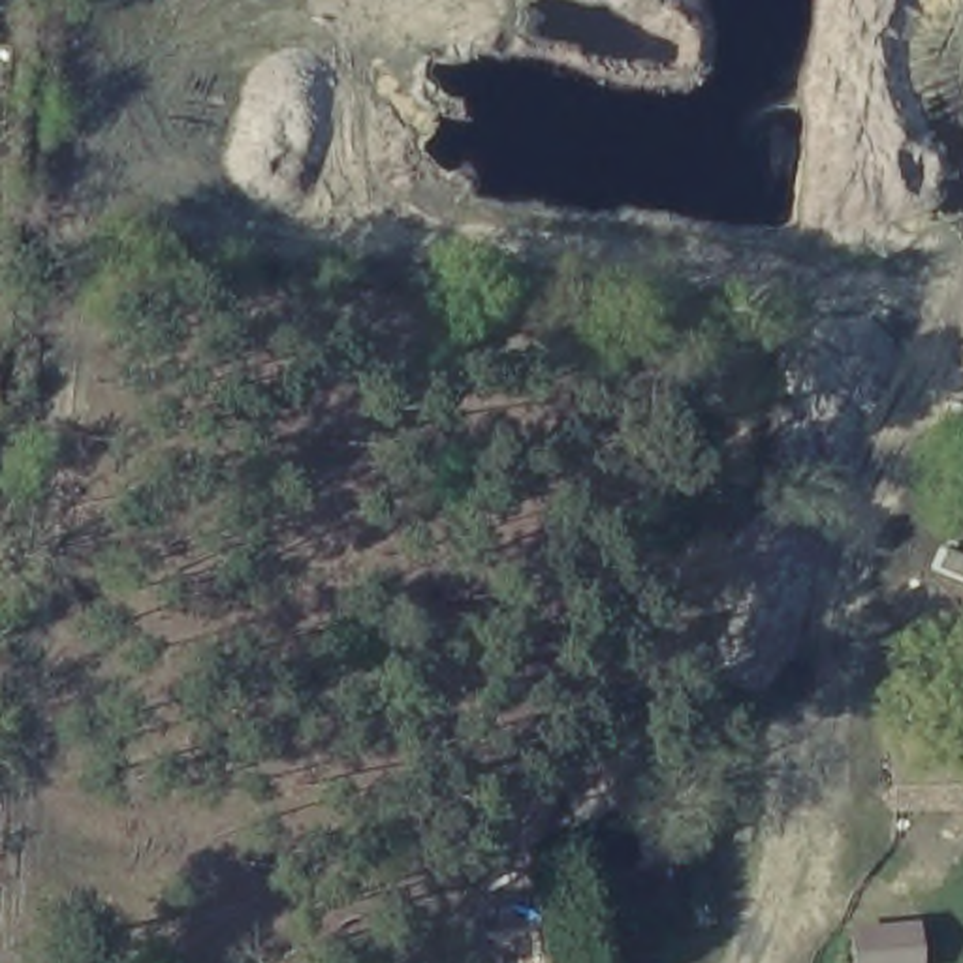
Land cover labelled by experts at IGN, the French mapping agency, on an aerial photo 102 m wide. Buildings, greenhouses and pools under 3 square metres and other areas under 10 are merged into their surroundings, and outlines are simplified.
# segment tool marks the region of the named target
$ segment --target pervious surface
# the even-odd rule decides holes
[[[843,850],[843,809],[850,805],[846,767],[854,745],[843,737],[843,726],[854,715],[873,715],[876,688],[892,673],[892,639],[910,624],[907,617],[914,609],[937,606],[940,594],[895,594],[884,583],[884,576],[922,527],[918,519],[880,508],[873,493],[854,493],[846,500],[850,527],[824,530],[843,549],[839,576],[824,609],[824,632],[813,643],[797,643],[794,658],[779,670],[779,677],[764,685],[745,707],[752,718],[767,726],[764,846],[760,861],[749,869],[749,903],[741,910],[741,925],[722,948],[718,963],[809,963],[820,937],[831,925],[824,910],[831,873]]]

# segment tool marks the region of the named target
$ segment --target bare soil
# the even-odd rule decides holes
[[[730,278],[745,278],[749,293],[767,297],[779,282],[786,282],[786,290],[797,293],[801,308],[794,335],[775,350],[745,339],[734,354],[715,357],[715,369],[703,376],[715,384],[715,395],[707,399],[707,406],[715,406],[715,421],[707,421],[703,429],[696,425],[696,436],[718,451],[722,470],[707,489],[677,493],[666,500],[658,523],[666,527],[670,542],[681,542],[685,549],[703,549],[700,568],[715,576],[715,583],[722,587],[722,609],[730,613],[730,624],[718,636],[718,655],[711,658],[718,696],[726,700],[726,707],[745,707],[764,685],[779,677],[779,670],[794,658],[797,643],[813,643],[824,632],[824,609],[839,576],[843,549],[824,530],[813,523],[779,523],[771,512],[764,512],[760,493],[767,485],[767,474],[786,474],[794,463],[828,463],[835,478],[846,485],[846,500],[854,493],[873,493],[880,508],[918,519],[914,448],[922,421],[940,403],[952,403],[955,410],[963,406],[963,0],[816,0],[809,53],[801,68],[801,162],[794,177],[794,207],[779,226],[718,226],[643,207],[576,211],[545,207],[538,199],[500,203],[478,196],[474,177],[466,169],[448,169],[429,154],[436,124],[466,120],[466,102],[436,87],[429,79],[429,68],[463,64],[470,56],[553,60],[598,83],[639,90],[700,87],[703,60],[692,19],[700,15],[700,0],[579,0],[606,4],[628,23],[677,45],[673,64],[639,64],[587,56],[576,45],[538,38],[530,30],[534,0],[68,0],[68,19],[75,26],[64,41],[64,83],[71,98],[71,128],[53,150],[49,196],[34,196],[23,214],[23,241],[30,248],[60,245],[83,241],[98,229],[105,218],[109,226],[139,222],[177,233],[188,218],[203,218],[222,241],[252,241],[252,248],[260,256],[282,256],[297,260],[301,267],[312,267],[320,286],[354,278],[365,256],[380,256],[391,248],[421,248],[425,256],[433,256],[436,245],[463,233],[485,241],[497,256],[512,256],[515,275],[534,267],[553,271],[557,260],[568,252],[583,256],[591,267],[628,263],[666,301],[670,327],[688,331],[700,324],[703,305],[711,301],[707,293],[726,290]]]

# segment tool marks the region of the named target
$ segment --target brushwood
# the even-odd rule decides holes
[[[643,459],[636,459],[624,448],[621,433],[606,436],[587,459],[606,474],[628,474],[639,485],[639,504],[624,508],[624,527],[632,534],[636,527],[658,523],[666,500],[677,493],[662,485]]]

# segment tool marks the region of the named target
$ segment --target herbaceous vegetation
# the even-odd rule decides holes
[[[504,797],[512,805],[512,820],[500,820],[497,835],[504,846],[504,865],[497,869],[497,876],[485,880],[436,880],[436,873],[425,865],[425,839],[418,839],[403,858],[391,858],[361,873],[361,895],[324,914],[324,925],[316,925],[316,933],[324,940],[335,940],[335,933],[342,929],[365,933],[365,940],[372,940],[372,903],[403,895],[410,907],[410,937],[403,948],[387,952],[387,963],[549,963],[542,952],[545,937],[538,925],[538,907],[545,895],[530,888],[530,865],[538,854],[549,854],[568,839],[591,843],[594,869],[606,884],[609,940],[617,963],[718,963],[722,948],[741,925],[741,910],[749,903],[749,869],[760,861],[764,846],[767,726],[752,718],[752,749],[745,764],[730,764],[730,801],[722,805],[722,820],[711,846],[703,854],[677,861],[662,843],[643,843],[636,831],[639,779],[658,764],[647,734],[651,692],[628,670],[628,647],[606,628],[598,636],[594,658],[602,662],[609,681],[609,703],[621,726],[621,752],[591,764],[568,752],[557,767],[560,782],[553,801],[542,801],[538,782],[527,771],[530,752],[545,741],[542,734],[549,730],[538,711],[527,711],[530,688],[549,677],[557,688],[568,692],[568,700],[587,696],[587,677],[568,670],[560,658],[568,602],[545,553],[549,497],[557,489],[579,485],[591,489],[591,497],[606,508],[624,508],[639,504],[639,485],[628,474],[606,474],[587,459],[606,436],[621,433],[617,418],[587,414],[576,403],[579,384],[594,380],[609,391],[624,391],[628,384],[636,384],[639,391],[655,395],[658,384],[647,376],[643,357],[613,365],[594,354],[594,346],[576,327],[557,327],[549,335],[549,346],[553,395],[545,387],[527,387],[523,395],[466,395],[466,425],[436,425],[421,418],[421,399],[429,387],[429,350],[448,327],[444,312],[433,312],[425,286],[418,282],[418,271],[433,256],[425,256],[421,248],[391,248],[380,256],[365,256],[354,278],[320,286],[312,267],[301,267],[297,260],[282,256],[260,256],[252,248],[248,256],[233,260],[229,271],[218,278],[218,312],[241,324],[245,350],[237,361],[214,361],[211,376],[241,372],[245,384],[260,387],[271,399],[271,418],[263,418],[260,429],[267,444],[260,451],[241,451],[237,429],[218,429],[214,436],[203,436],[196,444],[192,414],[211,414],[211,406],[218,403],[203,391],[181,395],[173,403],[177,433],[169,433],[177,444],[177,485],[192,482],[199,455],[218,455],[214,482],[226,489],[214,493],[211,504],[218,504],[229,489],[241,489],[245,512],[237,523],[263,527],[263,549],[256,557],[256,568],[233,587],[218,587],[211,560],[188,538],[188,500],[173,500],[166,530],[124,534],[105,523],[105,508],[124,500],[132,444],[147,436],[147,429],[120,414],[117,387],[109,376],[128,350],[102,354],[102,346],[94,342],[98,324],[83,320],[79,293],[102,271],[98,229],[83,241],[60,245],[64,260],[53,271],[56,301],[49,308],[34,308],[19,286],[0,286],[0,485],[8,444],[15,433],[41,429],[49,440],[56,440],[56,451],[41,470],[41,489],[26,504],[34,512],[34,534],[15,545],[26,557],[41,549],[49,553],[45,583],[34,587],[34,609],[26,609],[23,621],[11,628],[11,647],[0,647],[0,963],[19,963],[15,952],[26,937],[34,903],[41,895],[60,899],[64,892],[71,895],[83,888],[98,892],[98,899],[105,903],[105,910],[94,918],[105,948],[128,952],[135,959],[143,959],[147,948],[158,963],[290,963],[290,944],[282,937],[282,914],[290,907],[286,895],[271,884],[271,876],[282,858],[293,861],[316,854],[316,839],[327,828],[339,828],[335,809],[327,809],[316,797],[320,782],[346,779],[357,824],[380,824],[384,816],[376,809],[376,797],[403,764],[399,749],[384,756],[346,756],[335,745],[342,734],[335,685],[354,681],[357,670],[380,670],[387,662],[391,639],[384,632],[372,632],[361,647],[331,658],[312,655],[305,639],[327,632],[327,624],[342,613],[339,594],[354,579],[387,572],[384,591],[410,594],[429,613],[429,628],[440,639],[455,643],[459,621],[474,613],[485,617],[493,609],[489,583],[508,560],[523,568],[527,583],[538,594],[527,628],[530,647],[515,662],[508,700],[493,707],[493,726],[515,737],[512,752],[504,756],[497,749],[482,749],[459,734],[466,700],[485,685],[485,670],[474,662],[451,658],[448,666],[425,677],[433,692],[448,696],[448,711],[433,715],[421,726],[421,737],[444,741],[466,764],[470,775],[500,779]],[[391,369],[391,376],[406,384],[403,410],[395,421],[376,421],[361,410],[361,391],[354,376],[324,372],[316,384],[308,384],[305,403],[290,399],[282,384],[282,354],[275,346],[278,327],[293,324],[305,339],[316,342],[346,312],[354,312],[361,361],[372,372]],[[557,455],[560,463],[538,474],[534,451],[542,448],[549,429],[564,429],[568,418],[576,425],[594,429],[594,436],[587,444],[572,440]],[[515,459],[508,470],[515,500],[489,523],[493,545],[482,553],[470,576],[451,576],[455,542],[451,519],[444,515],[444,497],[436,493],[436,478],[395,482],[372,463],[372,440],[395,440],[406,429],[414,429],[425,440],[425,463],[440,463],[444,451],[485,451],[497,429],[508,429],[515,436]],[[286,504],[275,489],[275,478],[290,463],[301,466],[301,474],[312,485],[308,512]],[[399,538],[410,523],[425,523],[429,530],[425,564],[414,564],[399,549]],[[150,636],[154,651],[162,651],[162,662],[154,670],[117,670],[98,651],[79,655],[56,632],[75,609],[98,598],[94,560],[105,549],[139,553],[150,568],[166,564],[166,572],[184,583],[184,598],[177,606],[150,606],[143,594],[117,594],[124,606],[120,621],[128,624],[128,632]],[[177,722],[181,696],[173,685],[181,681],[181,673],[199,666],[199,639],[211,632],[252,632],[256,639],[252,666],[226,658],[214,677],[218,688],[245,685],[248,700],[237,711],[222,711],[218,730],[233,734],[237,726],[256,722],[267,737],[267,745],[256,756],[233,756],[229,749],[192,745],[192,726]],[[275,707],[271,662],[282,658],[297,673],[301,696],[320,715],[320,734],[312,741],[301,741],[301,726]],[[56,741],[60,711],[68,711],[71,703],[94,711],[102,681],[109,673],[143,696],[135,726],[128,734],[128,764],[117,764],[124,809],[87,805],[79,797],[75,779],[90,767],[109,764],[79,737],[71,749],[60,749]],[[147,760],[162,760],[169,752],[181,752],[177,771],[184,775],[184,786],[173,790],[169,801],[158,809],[147,794]],[[263,854],[237,850],[237,820],[252,824],[271,813],[278,813],[275,843]]]
[[[715,406],[707,406],[707,399],[715,395],[715,384],[703,376],[696,380],[692,391],[681,399],[692,410],[696,425],[703,429],[707,421],[715,421]]]
[[[177,233],[192,260],[203,260],[222,241],[203,218],[188,218]]]
[[[910,624],[940,609],[959,613],[963,602],[963,594],[933,572],[933,553],[963,553],[963,542],[940,538],[922,527],[884,576],[884,583],[895,594],[940,594],[937,606],[914,609],[907,617]]]
[[[527,346],[519,327],[530,316],[530,305],[523,305],[519,297],[512,301],[508,316],[489,324],[485,335],[489,346]]]
[[[963,816],[940,809],[888,809],[884,786],[892,782],[895,767],[892,752],[880,745],[873,715],[854,715],[843,726],[843,737],[854,745],[846,767],[850,805],[843,809],[843,850],[831,873],[824,910],[831,925],[820,937],[809,963],[854,963],[854,937],[888,914],[929,914],[922,925],[929,963],[963,963]]]
[[[681,655],[692,655],[696,647],[707,647],[711,658],[718,655],[718,636],[730,624],[730,613],[722,609],[722,587],[715,583],[715,576],[700,568],[703,549],[685,549],[681,542],[670,542],[666,527],[658,523],[636,527],[632,534],[636,557],[647,568],[655,568],[670,598],[681,598],[685,617],[685,628],[655,632],[651,655],[658,662],[673,662]]]
[[[15,245],[23,241],[23,214],[34,196],[26,181],[26,147],[41,139],[41,117],[26,113],[30,75],[45,79],[49,87],[64,83],[64,41],[75,26],[68,19],[41,19],[38,53],[26,56],[23,45],[11,38],[11,0],[0,0],[0,267],[8,267]]]

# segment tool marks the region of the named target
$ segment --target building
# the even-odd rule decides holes
[[[854,963],[929,963],[922,925],[929,914],[888,914],[854,937]]]
[[[888,809],[940,809],[963,816],[963,782],[952,775],[937,775],[925,782],[910,782],[895,767],[892,782],[884,786]]]

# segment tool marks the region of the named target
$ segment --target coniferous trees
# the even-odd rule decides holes
[[[376,421],[395,421],[403,410],[406,384],[391,376],[391,369],[372,372],[361,361],[354,312],[346,312],[316,342],[305,339],[293,324],[278,327],[275,346],[282,354],[282,384],[290,399],[305,403],[308,384],[316,384],[324,372],[354,376],[361,391],[361,410]]]
[[[162,651],[154,651],[150,636],[128,632],[128,624],[120,621],[124,606],[117,594],[143,594],[150,606],[177,606],[184,598],[184,583],[166,572],[166,564],[150,568],[139,553],[105,549],[94,560],[98,598],[75,609],[56,632],[79,655],[98,651],[117,670],[154,670],[162,662]]]
[[[271,813],[252,824],[237,820],[237,850],[263,854],[275,843],[278,813]]]
[[[639,391],[636,384],[628,384],[624,391],[609,391],[594,380],[579,384],[576,403],[587,414],[617,418],[621,433],[624,448],[636,459],[643,459],[662,485],[677,493],[707,489],[722,470],[718,451],[696,436],[696,425],[692,410],[681,399],[692,391],[696,380],[658,384],[655,395]]]
[[[181,696],[177,722],[192,726],[192,745],[229,749],[233,756],[256,756],[267,745],[267,737],[256,722],[237,726],[233,734],[218,730],[222,711],[237,711],[248,700],[245,685],[218,688],[214,677],[226,658],[252,666],[256,639],[252,632],[211,632],[199,639],[199,666],[181,673],[181,681],[173,685]]]
[[[538,474],[560,463],[557,455],[572,440],[587,444],[594,436],[594,429],[576,425],[568,418],[564,429],[549,429],[542,448],[534,451]]]
[[[320,715],[301,696],[297,673],[282,658],[271,662],[275,707],[301,726],[301,741],[312,741],[320,734]]]
[[[414,564],[425,564],[429,530],[425,523],[410,523],[399,538],[399,549]]]
[[[158,963],[147,948],[143,959],[135,959],[128,952],[105,948],[94,918],[105,910],[105,903],[98,899],[98,892],[83,888],[71,895],[64,892],[60,899],[41,895],[34,903],[26,937],[15,952],[19,963]]]
[[[418,839],[425,839],[425,865],[436,873],[436,880],[485,880],[497,876],[497,869],[504,865],[504,846],[497,835],[500,820],[512,820],[512,805],[504,797],[500,779],[470,775],[466,764],[444,741],[421,737],[421,726],[433,715],[448,711],[448,696],[433,692],[425,677],[448,666],[451,658],[474,662],[485,670],[485,685],[466,700],[459,734],[482,749],[497,749],[504,756],[512,752],[515,737],[493,726],[493,707],[508,700],[515,662],[530,647],[527,628],[538,594],[527,583],[523,568],[508,560],[489,583],[493,609],[485,617],[474,613],[459,621],[455,643],[440,639],[429,628],[429,613],[410,594],[384,591],[387,572],[354,579],[339,594],[342,613],[327,624],[327,632],[305,639],[312,655],[331,658],[361,647],[372,632],[384,632],[391,639],[387,662],[380,670],[357,670],[354,681],[335,685],[342,734],[335,745],[346,756],[384,756],[399,749],[403,764],[376,797],[376,809],[384,816],[380,824],[357,824],[346,779],[320,782],[316,797],[327,809],[335,809],[339,828],[327,828],[316,839],[316,854],[293,861],[282,858],[271,876],[271,884],[286,895],[290,907],[282,914],[282,937],[290,944],[290,963],[387,963],[387,952],[403,948],[410,937],[410,907],[403,895],[372,903],[372,940],[365,940],[365,933],[342,929],[335,933],[335,940],[324,940],[316,933],[316,925],[324,925],[324,914],[361,895],[361,873],[391,858],[403,858]]]
[[[489,346],[485,335],[455,342],[448,327],[429,350],[429,387],[421,399],[421,418],[436,425],[466,425],[466,395],[523,395],[527,387],[545,387],[553,395],[549,346],[527,346]]]
[[[568,700],[568,692],[557,688],[549,677],[530,688],[527,711],[538,711],[549,730],[542,734],[545,741],[530,752],[527,771],[538,782],[542,801],[553,801],[560,782],[557,767],[568,752],[591,764],[621,752],[621,726],[609,703],[609,681],[602,662],[594,658],[598,636],[606,628],[628,647],[628,670],[651,692],[647,734],[658,764],[685,764],[688,756],[730,764],[745,764],[752,749],[752,718],[745,707],[726,707],[726,700],[718,696],[711,658],[707,647],[696,647],[692,655],[681,655],[673,662],[658,662],[651,655],[655,632],[685,628],[685,617],[681,598],[670,598],[655,568],[647,568],[636,557],[632,534],[624,527],[624,508],[606,508],[591,497],[591,489],[579,485],[557,489],[549,497],[545,553],[568,602],[560,658],[568,670],[587,677],[587,696]]]
[[[229,271],[233,260],[248,256],[252,248],[252,241],[222,241],[203,260],[192,260],[177,233],[139,222],[109,226],[105,218],[98,229],[102,271],[79,293],[83,320],[98,324],[94,342],[102,346],[102,354],[128,350],[109,376],[117,387],[120,414],[147,429],[147,436],[132,444],[124,500],[105,508],[105,523],[124,534],[166,530],[173,500],[188,500],[188,538],[211,560],[218,587],[233,587],[256,568],[256,557],[263,549],[263,527],[237,523],[245,512],[241,489],[229,489],[218,504],[211,504],[214,493],[226,489],[214,482],[218,455],[199,455],[192,482],[177,485],[177,444],[169,433],[177,433],[173,403],[181,395],[203,391],[218,403],[211,406],[211,414],[192,414],[196,444],[203,436],[214,436],[218,429],[237,429],[241,451],[260,451],[267,444],[260,429],[263,418],[271,418],[271,399],[260,387],[245,384],[241,372],[211,376],[214,361],[237,361],[245,350],[241,324],[218,312],[218,278]]]
[[[162,760],[147,760],[147,794],[158,809],[169,801],[173,790],[184,786],[184,775],[177,771],[181,752],[169,752]]]
[[[436,478],[436,493],[444,497],[444,515],[451,519],[455,542],[451,576],[470,576],[482,553],[493,545],[489,523],[515,500],[508,470],[515,459],[515,436],[508,429],[497,429],[485,451],[444,451],[440,463],[425,463],[425,440],[414,429],[406,429],[395,440],[372,440],[372,463],[395,482]]]
[[[568,839],[549,854],[538,854],[530,865],[530,888],[545,895],[538,907],[538,925],[545,937],[542,952],[549,963],[617,963],[609,940],[606,884],[594,869],[591,843]]]
[[[275,489],[286,504],[308,512],[312,485],[301,474],[301,466],[290,463],[275,478]]]
[[[117,764],[128,764],[128,734],[135,726],[143,696],[109,673],[102,681],[94,711],[71,703],[68,711],[60,711],[56,741],[60,749],[71,749],[79,737],[109,764],[90,767],[75,779],[79,797],[87,805],[124,809]]]

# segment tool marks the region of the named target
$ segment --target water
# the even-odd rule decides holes
[[[478,196],[500,203],[538,199],[545,207],[576,211],[643,207],[718,226],[779,226],[794,207],[794,177],[801,162],[801,68],[809,53],[816,0],[700,0],[700,15],[692,19],[703,60],[700,87],[639,90],[598,83],[553,60],[470,56],[463,64],[429,68],[429,79],[436,87],[466,102],[466,120],[436,124],[429,154],[448,169],[466,169],[474,177]]]
[[[606,4],[579,0],[534,0],[530,30],[538,38],[576,45],[587,56],[639,64],[673,64],[677,45],[628,23]]]

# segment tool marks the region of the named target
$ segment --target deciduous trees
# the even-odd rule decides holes
[[[914,448],[918,519],[922,527],[940,538],[963,542],[963,406],[955,410],[952,403],[940,403],[922,421]]]
[[[730,801],[730,764],[688,756],[685,764],[658,764],[639,779],[636,831],[643,843],[662,843],[677,861],[703,854],[711,846],[722,820],[722,805]]]
[[[801,308],[797,293],[786,290],[786,282],[779,282],[767,297],[749,293],[745,278],[730,278],[726,290],[707,293],[711,301],[703,305],[700,324],[688,331],[670,327],[666,301],[628,263],[591,267],[583,256],[568,252],[557,260],[553,271],[534,267],[515,275],[512,256],[497,256],[485,241],[463,233],[436,245],[433,256],[418,271],[418,282],[425,286],[433,312],[444,312],[448,327],[455,342],[485,335],[489,324],[508,316],[512,301],[519,297],[523,305],[530,305],[530,316],[519,327],[527,346],[549,346],[549,335],[557,327],[576,327],[594,346],[594,354],[613,365],[643,357],[647,376],[658,384],[696,380],[703,376],[715,369],[715,357],[734,354],[745,339],[775,350],[794,335]]]
[[[26,56],[38,53],[41,19],[68,19],[68,0],[11,0],[11,38],[23,45]]]
[[[41,139],[26,147],[26,181],[34,196],[49,196],[53,150],[71,128],[71,98],[64,83],[49,87],[45,79],[30,75],[26,113],[41,117]]]
[[[49,553],[41,549],[26,557],[15,545],[34,534],[34,512],[26,504],[41,489],[41,470],[56,451],[56,440],[49,440],[41,429],[15,433],[8,444],[0,485],[0,647],[11,647],[11,628],[23,621],[26,609],[34,609],[34,587],[45,583]]]
[[[835,478],[828,463],[794,463],[786,474],[767,474],[767,485],[760,493],[764,512],[771,512],[779,523],[813,523],[824,530],[850,527],[846,500],[846,485]]]
[[[0,267],[0,286],[19,286],[34,308],[49,308],[56,301],[53,271],[64,260],[60,245],[30,248],[23,241],[15,245],[8,267]]]
[[[876,688],[873,715],[880,745],[892,752],[895,767],[910,782],[925,782],[937,775],[952,775],[963,782],[963,602],[959,613],[940,609],[910,624],[892,639],[892,673]]]

